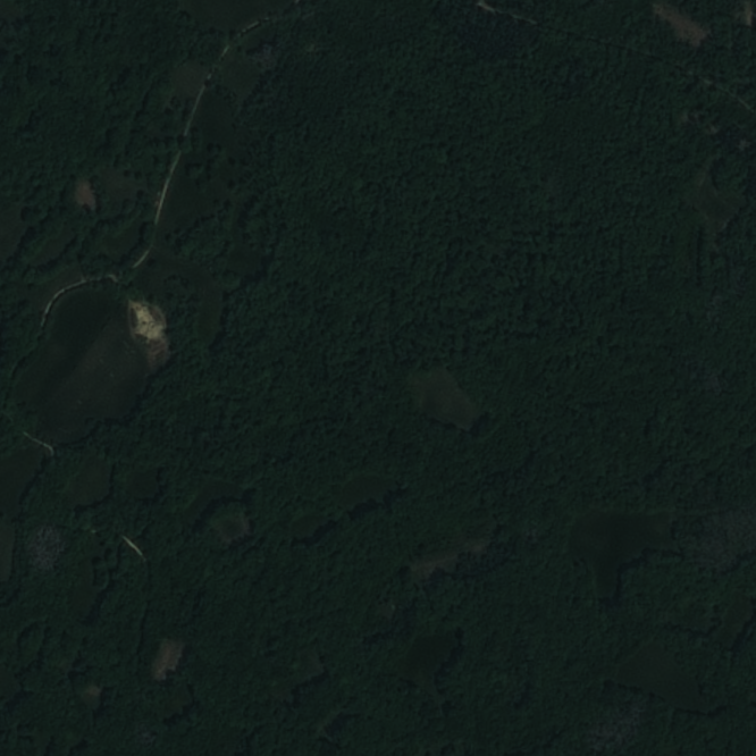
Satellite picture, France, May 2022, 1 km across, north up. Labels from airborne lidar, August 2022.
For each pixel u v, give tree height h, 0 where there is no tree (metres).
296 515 20
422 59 17
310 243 16
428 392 0
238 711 17
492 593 21
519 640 19
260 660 22
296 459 14
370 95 19
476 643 19
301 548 22
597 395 13
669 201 20
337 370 18
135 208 14
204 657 17
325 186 16
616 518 0
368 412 19
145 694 17
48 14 16
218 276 14
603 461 20
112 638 17
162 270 0
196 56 10
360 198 18
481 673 15
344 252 18
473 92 23
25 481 0
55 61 21
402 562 10
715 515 22
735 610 0
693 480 25
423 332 18
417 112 17
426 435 20
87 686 17
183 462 18
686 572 16
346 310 22
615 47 9
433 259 20
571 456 20
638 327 18
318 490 15
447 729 18
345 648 20
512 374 21
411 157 19
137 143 17
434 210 17
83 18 18
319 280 14
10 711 18
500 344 19
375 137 16
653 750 19
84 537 17
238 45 10
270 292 19
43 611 15
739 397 18
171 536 14
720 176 21
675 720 16
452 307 19
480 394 19
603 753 21
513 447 12
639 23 14
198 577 17
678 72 16
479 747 18
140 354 0
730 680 25
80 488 0
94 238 18
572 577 19
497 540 8
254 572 11
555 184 18
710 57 17
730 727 13
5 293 19
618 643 19
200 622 18
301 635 17
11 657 16
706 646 19
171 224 0
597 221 18
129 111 12
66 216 19
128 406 0
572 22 13
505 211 19
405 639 19
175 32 9
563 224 18
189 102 7
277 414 15
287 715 17
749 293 18
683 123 12
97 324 0
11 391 11
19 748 19
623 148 8
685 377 20
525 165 17
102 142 6
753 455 23
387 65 16
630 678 0
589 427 20
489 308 20
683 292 23
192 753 20
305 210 17
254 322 21
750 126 11
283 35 10
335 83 10
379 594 7
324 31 7
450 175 19
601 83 15
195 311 11
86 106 21
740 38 19
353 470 19
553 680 18
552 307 21
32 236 24
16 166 18
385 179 22
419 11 13
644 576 20
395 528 24
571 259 19
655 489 19
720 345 18
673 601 22
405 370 19
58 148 17
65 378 0
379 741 23
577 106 8
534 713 18
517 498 15
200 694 19
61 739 10
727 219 0
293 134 11
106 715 22
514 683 15
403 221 19
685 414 16
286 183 20
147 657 19
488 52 16
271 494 16
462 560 10
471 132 18
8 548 0
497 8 7
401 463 20
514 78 17
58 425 0
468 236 22
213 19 0
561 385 20
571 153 9
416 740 20
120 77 8
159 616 14
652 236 20
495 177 19
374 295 20
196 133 12
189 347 14
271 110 14
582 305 18
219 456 17
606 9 8
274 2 0
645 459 13
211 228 9
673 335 22
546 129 9
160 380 15
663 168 18
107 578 8
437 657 0
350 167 16
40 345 8
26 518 17
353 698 23
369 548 22
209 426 13
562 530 17
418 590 19
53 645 17
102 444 14
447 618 20
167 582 12
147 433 15
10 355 19
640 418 13
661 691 0
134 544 8
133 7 11
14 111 22
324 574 14
